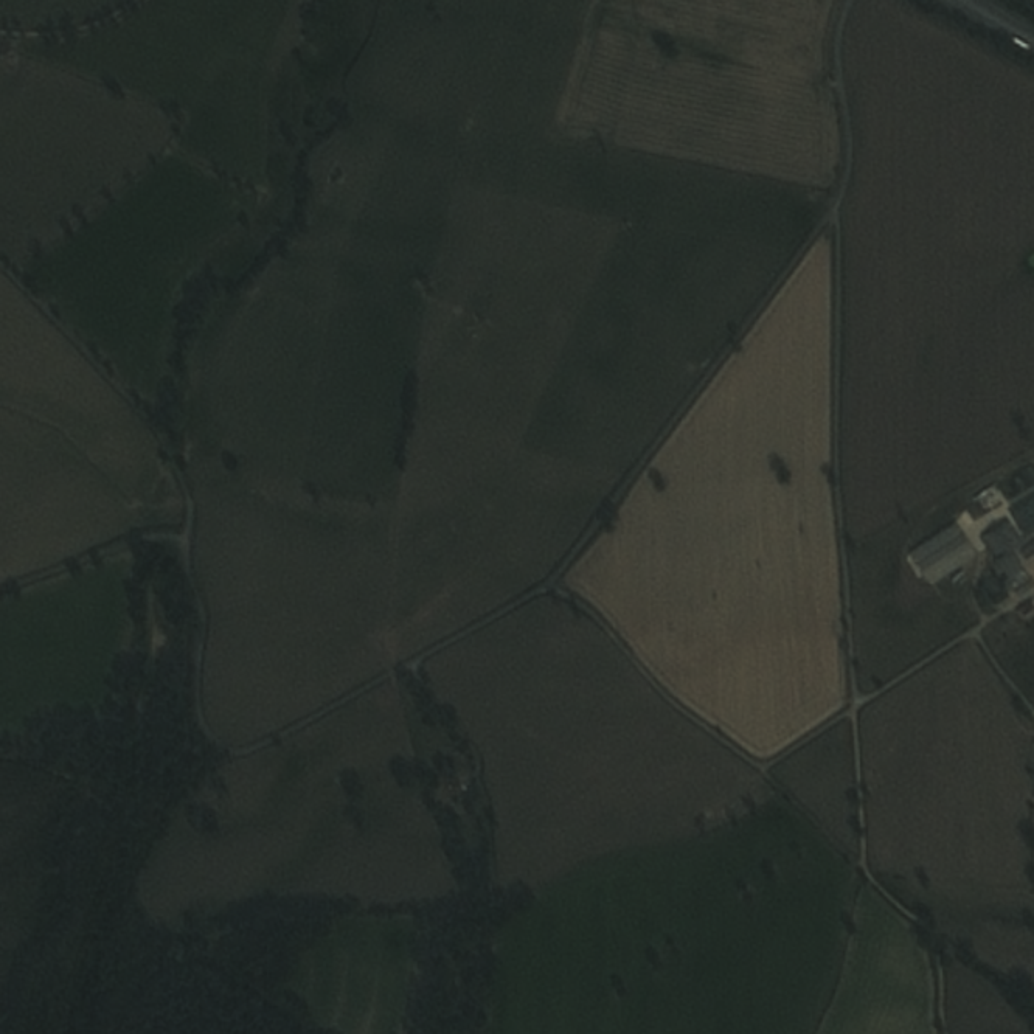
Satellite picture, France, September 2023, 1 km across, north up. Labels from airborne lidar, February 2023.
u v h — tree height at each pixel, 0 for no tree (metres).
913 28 0
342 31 0
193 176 0
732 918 0
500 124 0
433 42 0
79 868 23
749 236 0
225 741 0
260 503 0
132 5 15
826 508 0
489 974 18
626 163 0
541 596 0
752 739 0
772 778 0
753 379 0
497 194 0
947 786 0
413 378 9
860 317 0
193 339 18
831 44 0
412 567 0
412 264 0
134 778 23
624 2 0
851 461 0
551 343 0
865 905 0
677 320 0
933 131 0
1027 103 0
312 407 0
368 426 0
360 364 0
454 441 0
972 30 12
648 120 0
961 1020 0
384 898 0
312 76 0
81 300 0
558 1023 0
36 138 0
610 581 0
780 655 0
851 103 0
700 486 0
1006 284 0
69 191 0
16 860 0
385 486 0
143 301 0
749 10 0
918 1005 0
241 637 0
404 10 0
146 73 0
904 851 0
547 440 0
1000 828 0
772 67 0
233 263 0
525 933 0
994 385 0
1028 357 0
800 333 0
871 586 0
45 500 0
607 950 0
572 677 0
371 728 0
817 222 0
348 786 18
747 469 0
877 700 0
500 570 0
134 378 0
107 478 0
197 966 16
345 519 0
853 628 0
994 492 0
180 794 18
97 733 21
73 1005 24
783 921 0
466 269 0
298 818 0
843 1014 0
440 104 0
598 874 0
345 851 0
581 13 0
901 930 0
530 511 0
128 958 19
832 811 0
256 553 0
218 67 0
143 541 12
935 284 0
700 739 0
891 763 0
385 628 0
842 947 0
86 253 0
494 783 0
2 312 0
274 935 22
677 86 0
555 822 0
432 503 0
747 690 0
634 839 0
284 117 0
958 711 0
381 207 0
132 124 0
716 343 0
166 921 0
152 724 17
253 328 0
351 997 0
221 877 0
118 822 22
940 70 0
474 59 0
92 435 0
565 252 0
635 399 0
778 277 0
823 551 0
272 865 0
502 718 0
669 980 0
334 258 0
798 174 0
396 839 0
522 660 0
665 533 0
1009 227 0
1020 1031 0
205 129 0
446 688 0
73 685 0
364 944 0
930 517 0
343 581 0
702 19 0
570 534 0
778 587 0
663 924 0
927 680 0
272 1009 23
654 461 0
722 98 0
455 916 25
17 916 0
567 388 0
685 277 0
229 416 0
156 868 0
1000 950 0
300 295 0
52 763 15
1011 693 0
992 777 0
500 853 0
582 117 0
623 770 0
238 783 0
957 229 0
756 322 0
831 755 0
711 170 0
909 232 0
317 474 0
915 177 0
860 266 0
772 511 0
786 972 0
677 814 0
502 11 0
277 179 0
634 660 0
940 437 0
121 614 0
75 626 0
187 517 0
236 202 0
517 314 0
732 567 0
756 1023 0
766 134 0
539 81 0
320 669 0
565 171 0
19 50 0
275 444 0
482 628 0
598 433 0
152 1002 24
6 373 0
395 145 0
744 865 0
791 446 0
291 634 0
